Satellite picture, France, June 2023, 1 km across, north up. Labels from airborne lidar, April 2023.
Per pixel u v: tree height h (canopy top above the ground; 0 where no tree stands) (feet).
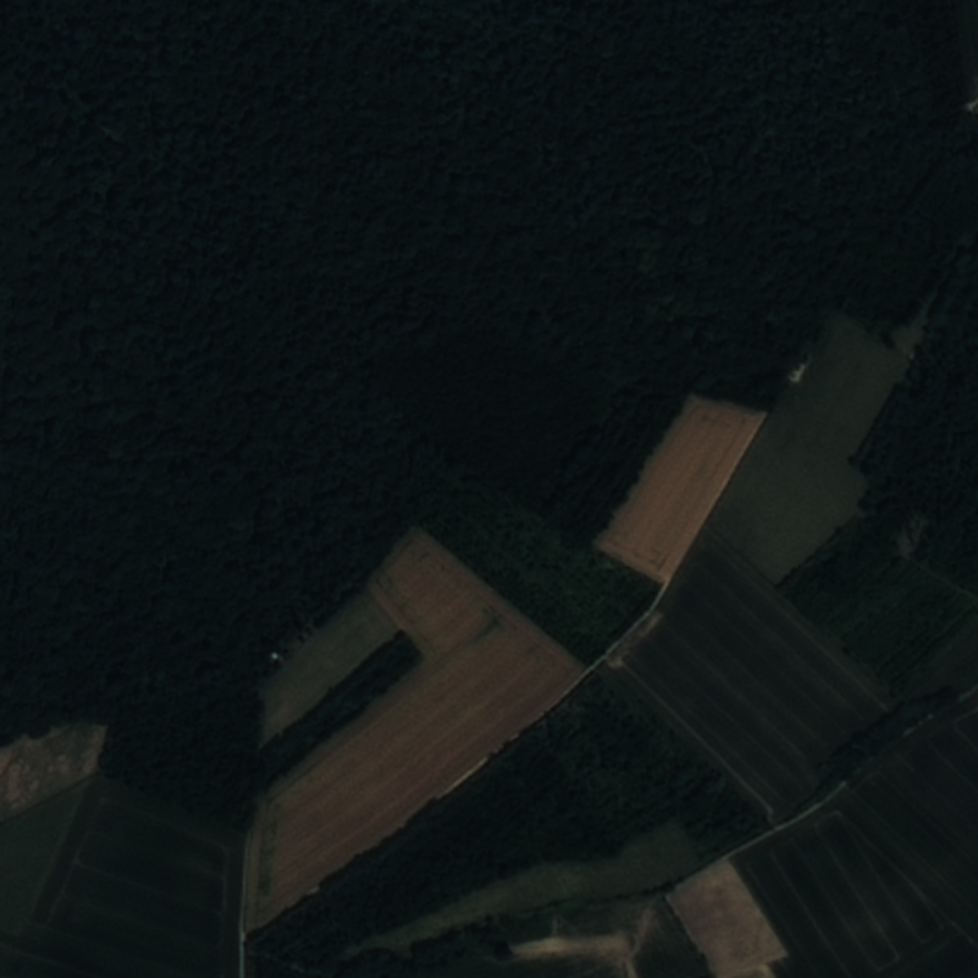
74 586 86
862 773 0
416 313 62
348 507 89
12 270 80
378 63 78
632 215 57
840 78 92
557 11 65
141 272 67
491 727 0
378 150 84
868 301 30
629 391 79
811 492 0
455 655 0
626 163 72
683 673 0
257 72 86
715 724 0
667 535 0
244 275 70
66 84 71
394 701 0
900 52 72
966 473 58
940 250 52
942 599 21
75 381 79
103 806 0
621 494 44
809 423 0
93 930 0
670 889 27
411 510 61
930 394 69
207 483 73
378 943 0
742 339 79
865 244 53
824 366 0
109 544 90
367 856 40
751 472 0
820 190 67
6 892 0
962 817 0
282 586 94
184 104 70
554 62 91
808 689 0
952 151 81
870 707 0
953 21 29
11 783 0
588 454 55
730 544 0
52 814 0
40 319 89
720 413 0
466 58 87
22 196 77
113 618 71
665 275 64
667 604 0
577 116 70
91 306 83
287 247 82
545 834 26
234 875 0
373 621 0
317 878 0
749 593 0
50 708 84
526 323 77
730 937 0
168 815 0
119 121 72
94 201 66
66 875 0
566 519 43
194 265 64
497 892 0
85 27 80
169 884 0
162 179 52
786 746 0
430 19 74
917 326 0
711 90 67
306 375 79
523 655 0
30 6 52
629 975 0
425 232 73
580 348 72
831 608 20
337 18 73
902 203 93
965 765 0
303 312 71
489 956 0
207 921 0
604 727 39
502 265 85
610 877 0
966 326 58
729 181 62
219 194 66
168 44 70
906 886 0
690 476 0
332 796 0
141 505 76
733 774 0
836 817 0
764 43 79
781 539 0
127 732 31
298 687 0
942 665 0
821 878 0
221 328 79
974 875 0
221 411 74
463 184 73
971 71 0
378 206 89
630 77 85
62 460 76
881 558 20
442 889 43
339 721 19
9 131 70
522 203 69
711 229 62
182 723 40
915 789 0
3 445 85
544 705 0
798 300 62
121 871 0
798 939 0
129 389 77
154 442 83
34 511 83
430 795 0
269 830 0
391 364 27
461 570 0
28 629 78
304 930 46
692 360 66
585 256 58
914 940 0
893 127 80
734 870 0
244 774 41
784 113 85
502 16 89
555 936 0
